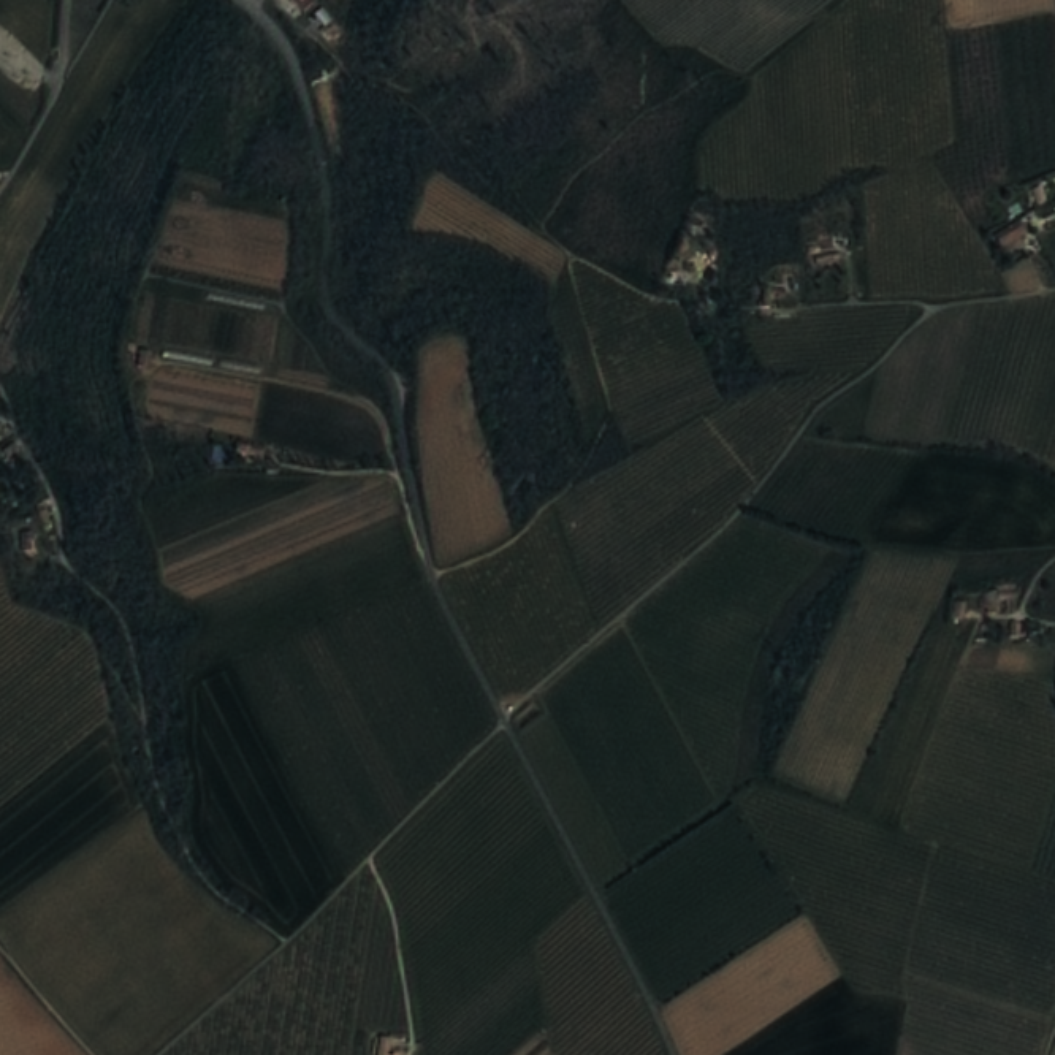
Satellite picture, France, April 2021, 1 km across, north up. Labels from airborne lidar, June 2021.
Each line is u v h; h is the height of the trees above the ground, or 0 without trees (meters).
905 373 0
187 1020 0
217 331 0
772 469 0
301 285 13
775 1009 0
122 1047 0
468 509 0
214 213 0
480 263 13
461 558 0
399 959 0
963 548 0
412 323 17
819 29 0
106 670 11
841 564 0
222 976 0
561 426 13
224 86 7
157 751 11
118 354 11
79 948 0
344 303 8
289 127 15
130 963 0
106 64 0
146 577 9
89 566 11
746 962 0
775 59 0
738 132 0
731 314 20
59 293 9
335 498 0
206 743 0
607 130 16
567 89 12
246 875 0
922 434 0
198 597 0
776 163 0
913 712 0
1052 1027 0
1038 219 0
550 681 0
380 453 0
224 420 0
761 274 10
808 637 9
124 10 0
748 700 0
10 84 0
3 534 11
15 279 0
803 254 10
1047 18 0
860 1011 0
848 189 14
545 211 7
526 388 17
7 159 0
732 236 11
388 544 0
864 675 0
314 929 0
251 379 0
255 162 8
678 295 6
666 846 9
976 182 7
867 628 0
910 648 0
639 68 5
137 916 0
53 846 0
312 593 0
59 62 0
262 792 0
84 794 0
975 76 8
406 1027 0
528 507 13
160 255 0
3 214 0
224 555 0
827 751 0
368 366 12
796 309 0
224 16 10
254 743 0
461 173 11
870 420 0
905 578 0
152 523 0
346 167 18
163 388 0
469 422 0
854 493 0
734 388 11
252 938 0
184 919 0
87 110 0
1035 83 0
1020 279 0
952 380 0
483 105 19
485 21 19
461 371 0
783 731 10
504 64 23
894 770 0
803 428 0
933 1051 0
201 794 0
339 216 15
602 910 0
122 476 13
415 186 17
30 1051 0
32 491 15
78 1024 0
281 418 0
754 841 8
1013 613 0
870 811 0
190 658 0
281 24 8
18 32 0
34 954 0
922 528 0
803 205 11
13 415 9
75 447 14
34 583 14
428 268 9
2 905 0
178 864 7
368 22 7
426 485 0
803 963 0
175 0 0
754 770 0
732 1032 0
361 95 14
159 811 10
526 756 0
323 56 14
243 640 0
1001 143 6
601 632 0
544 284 18
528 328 18
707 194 6
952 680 0
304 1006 0
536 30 21
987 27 6
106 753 0
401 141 14
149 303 0
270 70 9
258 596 0
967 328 0
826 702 0
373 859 0
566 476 15
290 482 0
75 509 17
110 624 21
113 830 0
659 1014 0
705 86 17
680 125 6
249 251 0
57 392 12
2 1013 0
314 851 0
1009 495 0
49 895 0
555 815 0
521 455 16
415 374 13
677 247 12
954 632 0
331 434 0
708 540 0
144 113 12
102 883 0
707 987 0
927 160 0
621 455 15
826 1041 0
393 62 8
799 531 13
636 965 0
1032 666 0
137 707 8
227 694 0
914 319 0
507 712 0
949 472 0
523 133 17
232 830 0
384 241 9
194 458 8
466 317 7
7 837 0
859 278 0
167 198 12
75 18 0
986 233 12
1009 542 0
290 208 8
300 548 0
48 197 0
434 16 16
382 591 0
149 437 11
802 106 0
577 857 0
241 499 0
